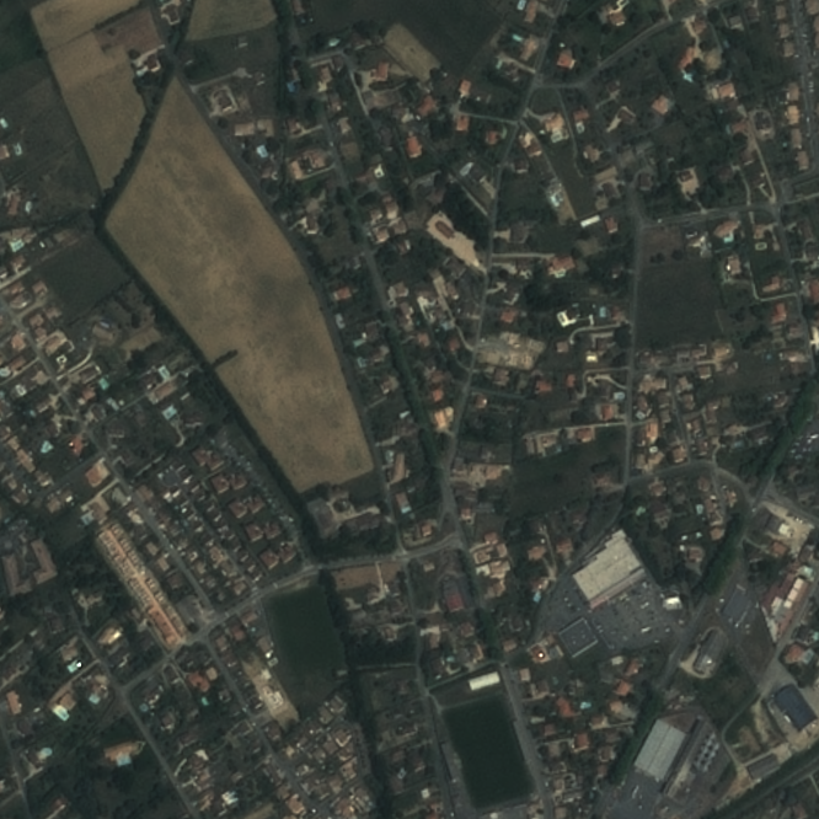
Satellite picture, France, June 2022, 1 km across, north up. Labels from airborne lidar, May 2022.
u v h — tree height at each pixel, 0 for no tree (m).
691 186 0
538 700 0
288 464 0
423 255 11
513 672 0
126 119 0
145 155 0
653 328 0
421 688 0
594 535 0
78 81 0
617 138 0
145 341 0
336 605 14
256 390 0
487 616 20
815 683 0
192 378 14
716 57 0
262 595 0
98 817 19
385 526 16
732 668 7
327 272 7
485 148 9
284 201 6
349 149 0
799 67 0
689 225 0
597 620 0
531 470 0
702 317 0
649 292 0
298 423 0
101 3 0
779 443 17
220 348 0
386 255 10
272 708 0
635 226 0
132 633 6
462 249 0
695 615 0
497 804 0
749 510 0
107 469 0
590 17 12
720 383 0
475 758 0
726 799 0
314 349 0
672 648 0
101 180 0
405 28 0
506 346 0
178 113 0
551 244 0
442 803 0
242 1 0
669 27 6
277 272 0
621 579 0
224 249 0
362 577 0
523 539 10
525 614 6
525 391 8
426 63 0
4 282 0
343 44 9
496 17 0
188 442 9
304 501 6
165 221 0
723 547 18
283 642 0
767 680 0
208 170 0
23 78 0
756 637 0
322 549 11
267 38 0
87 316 0
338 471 0
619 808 0
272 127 0
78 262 0
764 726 0
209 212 0
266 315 0
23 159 0
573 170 0
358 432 0
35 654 8
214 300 0
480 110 9
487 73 6
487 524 0
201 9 0
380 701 0
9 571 0
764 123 0
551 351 0
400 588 9
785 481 8
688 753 0
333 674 8
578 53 8
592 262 9
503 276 13
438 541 0
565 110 0
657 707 24
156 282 0
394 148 9
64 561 9
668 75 10
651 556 11
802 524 0
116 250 7
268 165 0
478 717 0
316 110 21
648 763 0
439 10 0
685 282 0
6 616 8
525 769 0
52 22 0
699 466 0
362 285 14
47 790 6
